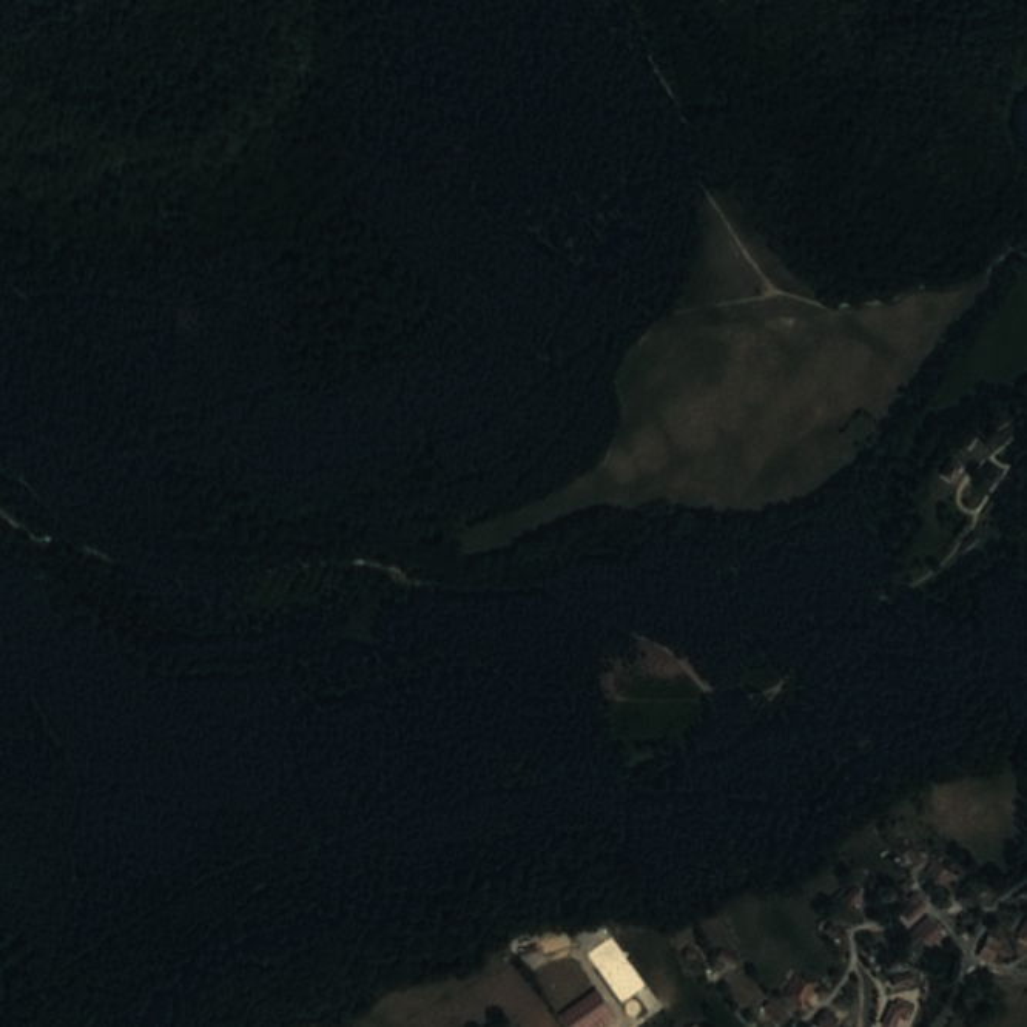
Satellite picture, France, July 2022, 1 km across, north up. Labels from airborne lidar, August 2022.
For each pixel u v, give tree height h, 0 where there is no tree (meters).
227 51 21
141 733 23
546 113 28
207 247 27
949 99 16
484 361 27
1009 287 20
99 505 25
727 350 0
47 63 13
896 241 12
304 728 26
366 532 31
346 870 29
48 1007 21
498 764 28
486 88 25
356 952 24
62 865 14
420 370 22
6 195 30
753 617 27
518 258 28
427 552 16
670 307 21
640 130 33
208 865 21
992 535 0
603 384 18
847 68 16
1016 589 27
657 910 19
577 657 26
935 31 32
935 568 14
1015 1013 0
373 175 30
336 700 24
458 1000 0
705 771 29
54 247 25
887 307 0
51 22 21
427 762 25
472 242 23
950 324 0
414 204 28
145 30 13
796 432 0
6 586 29
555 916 21
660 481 0
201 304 25
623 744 14
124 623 16
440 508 21
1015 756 16
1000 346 0
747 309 0
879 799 16
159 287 24
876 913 17
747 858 20
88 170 15
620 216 35
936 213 11
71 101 19
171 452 11
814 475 0
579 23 30
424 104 33
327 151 34
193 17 17
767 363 0
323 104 29
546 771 24
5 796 18
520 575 16
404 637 30
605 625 22
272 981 27
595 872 24
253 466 30
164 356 24
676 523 26
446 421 28
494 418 30
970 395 0
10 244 32
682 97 7
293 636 22
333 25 34
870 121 19
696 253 16
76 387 26
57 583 21
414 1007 0
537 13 32
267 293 25
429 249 25
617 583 26
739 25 8
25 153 17
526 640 26
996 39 19
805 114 15
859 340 0
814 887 0
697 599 30
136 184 24
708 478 0
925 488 25
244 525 25
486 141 30
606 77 32
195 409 22
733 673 26
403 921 30
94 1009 18
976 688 26
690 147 30
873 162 16
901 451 20
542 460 20
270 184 35
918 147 16
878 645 19
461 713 25
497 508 16
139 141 15
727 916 0
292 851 19
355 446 29
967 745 19
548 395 20
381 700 22
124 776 24
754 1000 0
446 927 31
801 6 17
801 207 14
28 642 26
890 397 0
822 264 7
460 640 23
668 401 0
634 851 33
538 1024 0
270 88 17
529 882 27
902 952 15
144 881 18
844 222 10
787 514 22
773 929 0
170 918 17
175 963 20
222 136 13
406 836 29
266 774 27
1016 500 25
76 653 25
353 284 31
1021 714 21
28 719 18
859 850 0
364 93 30
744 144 15
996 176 14
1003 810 0
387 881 27
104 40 22
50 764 23
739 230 0
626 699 0
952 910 0
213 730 26
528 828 27
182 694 27
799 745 30
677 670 0
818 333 0
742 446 0
